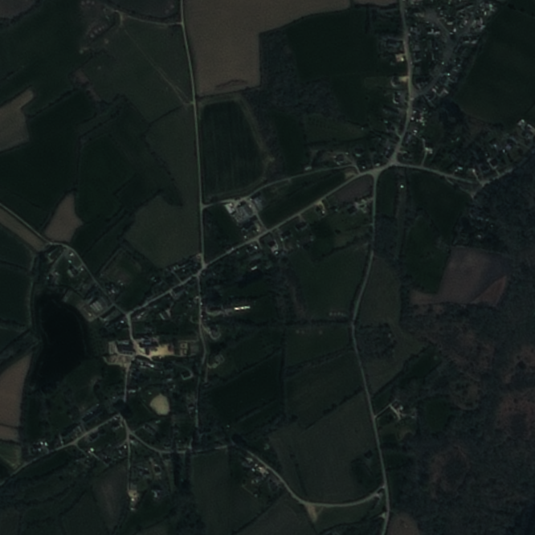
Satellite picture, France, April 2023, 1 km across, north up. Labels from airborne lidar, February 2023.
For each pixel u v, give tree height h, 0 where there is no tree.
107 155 0
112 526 0
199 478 0
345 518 0
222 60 0
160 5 0
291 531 0
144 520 0
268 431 8
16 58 0
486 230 11
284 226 0
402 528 0
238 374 11
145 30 0
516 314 16
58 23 0
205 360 0
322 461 0
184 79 0
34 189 0
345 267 0
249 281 15
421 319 7
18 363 0
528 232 13
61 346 0
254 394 0
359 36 0
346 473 0
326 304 0
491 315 15
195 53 0
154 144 0
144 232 0
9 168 0
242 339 10
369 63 0
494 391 17
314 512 0
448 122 27
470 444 16
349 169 0
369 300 0
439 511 9
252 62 0
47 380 0
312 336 0
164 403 0
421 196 0
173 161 0
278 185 0
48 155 0
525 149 0
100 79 0
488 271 0
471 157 13
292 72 6
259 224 0
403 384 0
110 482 0
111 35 0
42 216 0
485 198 13
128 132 0
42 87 0
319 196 0
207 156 0
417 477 20
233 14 0
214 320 0
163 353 0
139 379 15
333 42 0
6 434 0
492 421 15
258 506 0
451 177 0
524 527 12
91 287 0
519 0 0
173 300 7
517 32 0
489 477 7
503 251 10
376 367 0
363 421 0
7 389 0
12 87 0
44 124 0
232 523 0
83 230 0
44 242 0
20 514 8
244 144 0
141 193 0
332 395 0
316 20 0
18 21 9
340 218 0
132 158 0
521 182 14
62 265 0
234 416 0
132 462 6
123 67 0
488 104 0
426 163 0
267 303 0
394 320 0
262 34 0
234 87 0
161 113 0
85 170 0
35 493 0
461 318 10
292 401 0
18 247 0
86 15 0
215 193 0
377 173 0
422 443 15
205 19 0
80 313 0
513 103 0
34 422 0
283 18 0
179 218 0
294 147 0
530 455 9
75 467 6
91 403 0
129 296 0
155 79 0
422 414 9
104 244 0
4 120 0
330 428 0
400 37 8
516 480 15
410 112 0
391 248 12
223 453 0
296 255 0
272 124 0
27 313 0
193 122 0
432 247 0
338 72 0
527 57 0
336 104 7
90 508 0
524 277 11
